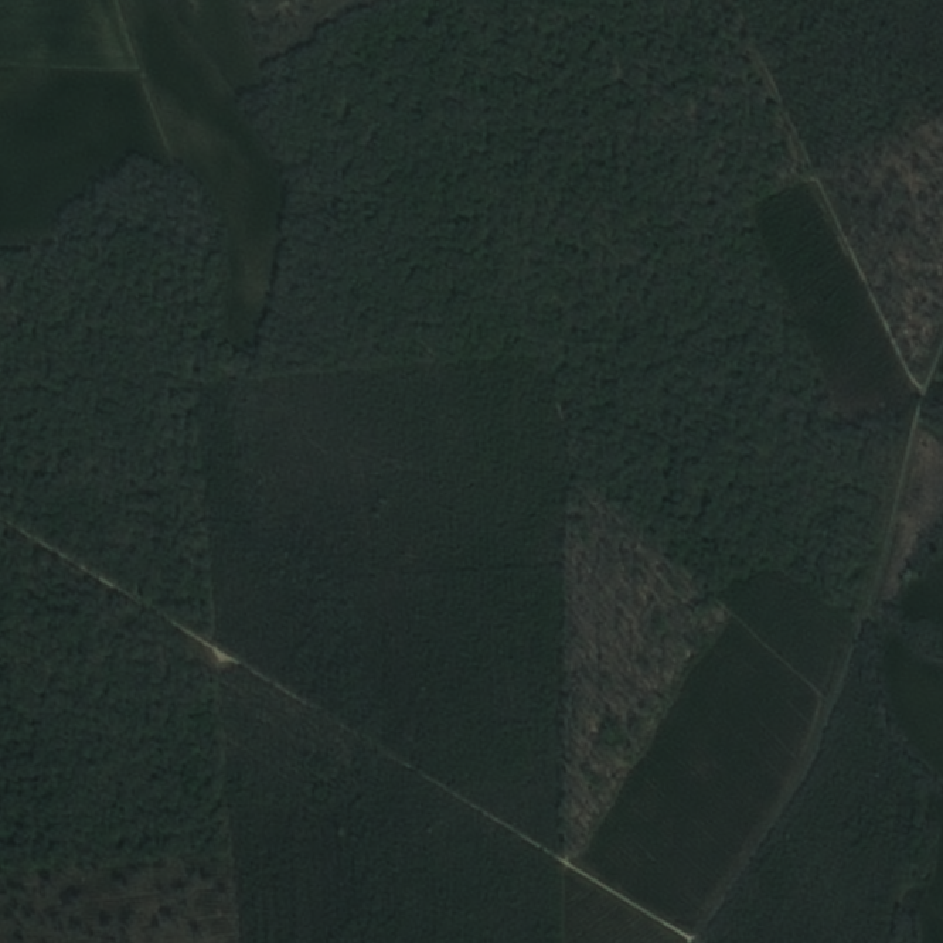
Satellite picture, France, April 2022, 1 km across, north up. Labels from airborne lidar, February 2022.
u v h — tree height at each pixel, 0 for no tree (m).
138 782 26
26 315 24
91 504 23
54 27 0
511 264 24
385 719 18
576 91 25
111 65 0
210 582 23
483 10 23
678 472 25
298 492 7
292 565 18
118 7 0
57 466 25
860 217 25
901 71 23
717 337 21
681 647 29
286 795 16
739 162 24
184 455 23
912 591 0
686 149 21
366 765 20
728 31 28
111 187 21
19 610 23
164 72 0
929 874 17
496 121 27
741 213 24
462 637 15
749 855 0
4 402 23
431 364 17
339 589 20
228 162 0
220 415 14
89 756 23
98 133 0
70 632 27
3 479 27
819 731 0
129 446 25
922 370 22
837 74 20
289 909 13
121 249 24
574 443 25
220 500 17
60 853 24
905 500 0
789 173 32
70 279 23
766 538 26
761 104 22
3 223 0
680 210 24
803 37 21
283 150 21
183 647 26
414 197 20
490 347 25
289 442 8
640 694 28
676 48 25
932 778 21
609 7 24
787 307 25
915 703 0
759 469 27
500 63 23
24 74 0
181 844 25
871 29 22
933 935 0
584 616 24
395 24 19
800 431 25
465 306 22
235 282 0
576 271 28
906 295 29
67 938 29
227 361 26
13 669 27
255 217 0
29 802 24
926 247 28
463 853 0
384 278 21
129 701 25
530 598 13
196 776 18
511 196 26
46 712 24
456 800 14
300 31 15
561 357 23
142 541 24
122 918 0
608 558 22
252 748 16
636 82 29
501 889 0
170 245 26
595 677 29
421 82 22
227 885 0
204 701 24
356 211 20
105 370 29
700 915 0
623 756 28
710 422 23
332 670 15
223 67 0
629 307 26
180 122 0
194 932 0
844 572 30
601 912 0
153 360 24
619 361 25
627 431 28
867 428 27
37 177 0
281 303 20
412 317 22
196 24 0
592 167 25
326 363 20
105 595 25
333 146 21
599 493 27
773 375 31
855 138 25
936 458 0
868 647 22
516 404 11
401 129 22
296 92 23
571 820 26
